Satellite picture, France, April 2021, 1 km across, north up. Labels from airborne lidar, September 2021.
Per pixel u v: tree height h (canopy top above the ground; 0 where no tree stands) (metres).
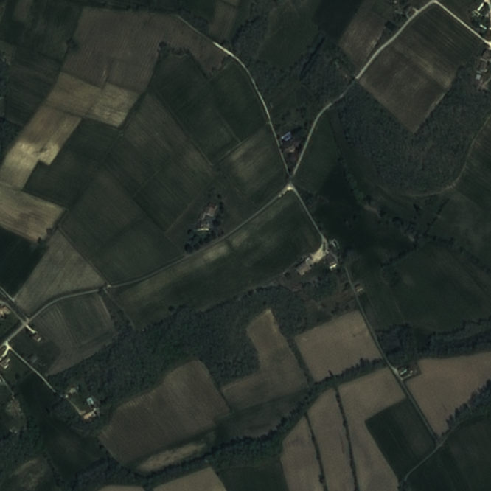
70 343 0
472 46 0
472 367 0
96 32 0
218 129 0
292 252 0
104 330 0
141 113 0
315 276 0
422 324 0
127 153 0
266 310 11
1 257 0
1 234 0
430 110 0
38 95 0
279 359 0
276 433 9
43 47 0
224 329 15
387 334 12
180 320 22
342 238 0
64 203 0
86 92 0
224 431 0
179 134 0
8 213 0
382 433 0
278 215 0
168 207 0
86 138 0
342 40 0
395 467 0
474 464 0
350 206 0
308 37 0
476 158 0
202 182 0
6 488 0
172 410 0
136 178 0
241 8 0
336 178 0
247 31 19
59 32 0
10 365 0
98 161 0
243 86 0
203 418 0
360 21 0
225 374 10
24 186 0
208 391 0
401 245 0
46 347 0
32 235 0
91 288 0
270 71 14
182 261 0
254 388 0
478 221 0
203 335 25
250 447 24
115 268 0
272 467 0
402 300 0
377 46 7
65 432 0
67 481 0
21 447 16
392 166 20
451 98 11
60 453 0
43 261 0
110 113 0
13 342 0
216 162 0
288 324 16
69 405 16
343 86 14
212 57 0
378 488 0
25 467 0
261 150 0
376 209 18
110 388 10
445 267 0
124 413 0
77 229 0
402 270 0
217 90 0
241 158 0
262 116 0
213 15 0
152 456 0
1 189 0
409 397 0
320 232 11
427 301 0
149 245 0
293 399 0
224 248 0
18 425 0
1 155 11
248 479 0
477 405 21
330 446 0
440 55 0
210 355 18
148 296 0
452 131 13
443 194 0
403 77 0
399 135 15
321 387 15
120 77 0
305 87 7
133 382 21
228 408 0
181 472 13
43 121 0
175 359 21
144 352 19
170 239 0
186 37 0
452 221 0
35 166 0
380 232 0
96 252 0
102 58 0
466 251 13
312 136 0
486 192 0
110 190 0
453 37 0
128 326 12
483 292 0
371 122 15
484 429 0
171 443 0
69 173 0
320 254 0
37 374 0
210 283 0
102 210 0
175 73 0
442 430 0
